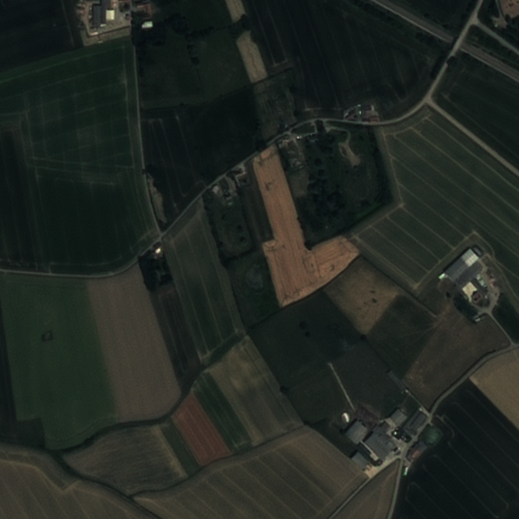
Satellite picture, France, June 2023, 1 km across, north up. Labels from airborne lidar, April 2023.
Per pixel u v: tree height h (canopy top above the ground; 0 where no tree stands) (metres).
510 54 9
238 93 0
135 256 0
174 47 0
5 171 0
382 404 0
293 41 0
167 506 0
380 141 0
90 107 0
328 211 12
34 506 0
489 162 0
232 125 0
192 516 0
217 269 0
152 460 0
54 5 0
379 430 0
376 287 0
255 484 0
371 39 0
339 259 0
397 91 0
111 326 0
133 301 0
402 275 0
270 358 0
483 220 0
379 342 0
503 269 0
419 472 0
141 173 0
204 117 0
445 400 0
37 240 0
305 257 0
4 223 0
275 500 0
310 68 0
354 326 0
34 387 0
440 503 0
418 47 0
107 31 0
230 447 0
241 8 0
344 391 0
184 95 0
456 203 0
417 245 0
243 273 0
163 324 0
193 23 0
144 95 0
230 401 0
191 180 0
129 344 0
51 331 0
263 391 0
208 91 0
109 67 0
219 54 0
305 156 0
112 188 0
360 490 0
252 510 0
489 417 0
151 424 0
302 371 0
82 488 0
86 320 0
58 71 0
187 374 0
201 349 0
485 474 0
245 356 0
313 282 0
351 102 0
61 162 0
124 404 0
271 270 0
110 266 0
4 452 0
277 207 0
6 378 0
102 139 0
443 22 0
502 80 0
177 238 0
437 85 0
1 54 0
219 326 0
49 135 0
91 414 0
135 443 0
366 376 0
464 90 0
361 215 0
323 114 0
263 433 0
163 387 0
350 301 0
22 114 0
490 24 7
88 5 0
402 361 0
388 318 0
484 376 0
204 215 0
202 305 0
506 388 0
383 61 0
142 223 0
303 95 0
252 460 0
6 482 0
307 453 0
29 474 0
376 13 10
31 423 0
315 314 0
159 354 0
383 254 0
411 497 0
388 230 0
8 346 0
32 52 0
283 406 0
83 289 0
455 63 18
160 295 0
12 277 0
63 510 0
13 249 0
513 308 0
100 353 0
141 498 0
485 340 0
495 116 0
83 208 0
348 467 0
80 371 0
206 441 0
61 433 0
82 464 0
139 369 0
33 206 0
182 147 0
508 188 0
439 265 0
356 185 0
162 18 0
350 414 0
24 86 0
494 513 0
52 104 0
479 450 0
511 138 0
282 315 0
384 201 9
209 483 0
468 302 0
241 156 0
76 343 0
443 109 0
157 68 0
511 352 0
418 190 0
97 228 0
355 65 0
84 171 0
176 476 0
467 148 0
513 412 0
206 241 0
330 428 0
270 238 0
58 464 0
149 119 0
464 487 0
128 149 0
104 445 0
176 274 0
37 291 0
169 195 0
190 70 0
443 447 0
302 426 0
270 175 0
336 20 0
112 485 0
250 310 0
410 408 0
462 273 0
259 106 0
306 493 0
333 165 0
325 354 0
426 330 0
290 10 0
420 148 0
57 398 0
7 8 0
